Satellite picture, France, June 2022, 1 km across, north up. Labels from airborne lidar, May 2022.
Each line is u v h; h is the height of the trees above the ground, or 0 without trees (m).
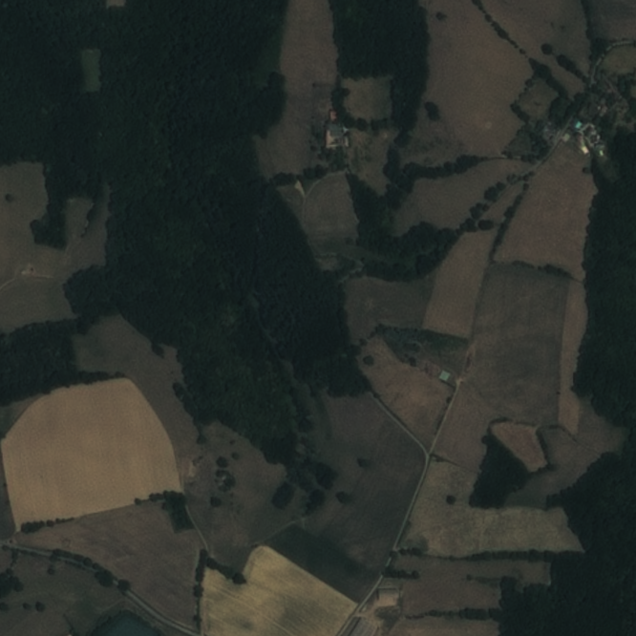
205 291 23
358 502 0
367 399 0
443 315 0
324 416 0
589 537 22
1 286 0
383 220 15
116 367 0
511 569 0
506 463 17
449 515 0
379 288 0
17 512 0
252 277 15
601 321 17
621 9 0
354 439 0
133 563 0
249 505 0
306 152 0
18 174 0
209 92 28
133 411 0
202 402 18
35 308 0
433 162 0
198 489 0
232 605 0
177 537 0
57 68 26
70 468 0
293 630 0
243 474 0
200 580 11
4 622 0
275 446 23
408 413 0
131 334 0
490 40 0
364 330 0
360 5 16
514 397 0
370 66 26
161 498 10
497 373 0
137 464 0
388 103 0
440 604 0
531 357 0
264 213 20
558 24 0
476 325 0
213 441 0
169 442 0
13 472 0
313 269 18
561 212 0
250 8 11
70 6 16
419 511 0
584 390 15
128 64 11
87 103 18
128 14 15
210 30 18
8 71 16
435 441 0
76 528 0
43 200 0
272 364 22
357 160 0
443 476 0
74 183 21
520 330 0
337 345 18
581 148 0
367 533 0
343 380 18
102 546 0
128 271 16
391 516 0
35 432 0
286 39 0
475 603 0
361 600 0
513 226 0
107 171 16
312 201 0
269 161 0
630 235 16
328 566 0
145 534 0
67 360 18
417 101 15
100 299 16
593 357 16
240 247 18
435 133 0
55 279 0
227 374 18
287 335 19
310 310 20
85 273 14
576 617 16
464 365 0
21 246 0
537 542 0
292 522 0
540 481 0
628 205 14
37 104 16
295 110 0
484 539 0
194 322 19
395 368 0
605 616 17
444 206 0
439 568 0
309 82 0
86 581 0
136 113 22
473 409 0
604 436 0
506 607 12
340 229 0
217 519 0
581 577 15
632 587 25
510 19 0
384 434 0
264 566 0
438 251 9
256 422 17
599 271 17
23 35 19
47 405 0
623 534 22
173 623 0
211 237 28
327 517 0
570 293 0
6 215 0
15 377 19
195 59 10
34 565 0
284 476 0
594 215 13
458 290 0
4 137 14
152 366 0
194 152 15
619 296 13
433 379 0
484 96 0
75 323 12
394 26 21
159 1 21
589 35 11
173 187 22
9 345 18
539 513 0
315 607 0
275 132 0
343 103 9
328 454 0
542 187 0
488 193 11
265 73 0
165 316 22
